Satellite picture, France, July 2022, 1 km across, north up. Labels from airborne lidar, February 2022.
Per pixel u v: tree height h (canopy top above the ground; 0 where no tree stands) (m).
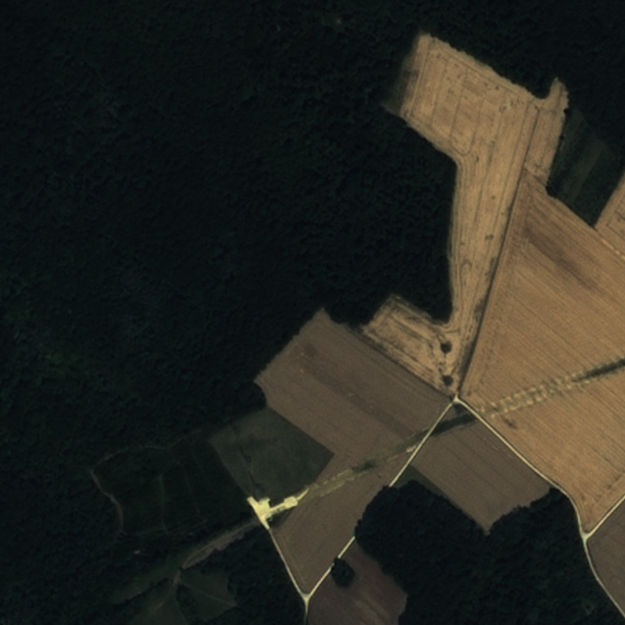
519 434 0
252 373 27
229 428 0
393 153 23
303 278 23
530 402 0
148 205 23
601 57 24
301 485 0
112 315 20
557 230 0
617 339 0
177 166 22
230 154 20
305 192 18
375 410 0
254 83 14
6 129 24
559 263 0
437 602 23
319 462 0
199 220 24
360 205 21
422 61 0
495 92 0
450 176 21
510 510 0
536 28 23
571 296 0
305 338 0
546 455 0
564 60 29
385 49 22
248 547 11
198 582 0
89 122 26
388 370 0
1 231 16
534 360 0
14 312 21
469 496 0
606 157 0
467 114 0
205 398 20
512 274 0
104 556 25
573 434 0
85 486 21
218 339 22
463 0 26
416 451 0
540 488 0
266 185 16
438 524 24
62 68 27
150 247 22
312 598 0
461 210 0
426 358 0
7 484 33
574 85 22
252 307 20
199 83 22
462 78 0
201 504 0
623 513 0
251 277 27
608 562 0
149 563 22
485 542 24
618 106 27
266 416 0
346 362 0
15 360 11
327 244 20
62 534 14
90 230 26
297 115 18
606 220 0
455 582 26
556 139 0
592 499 0
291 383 0
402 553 23
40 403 13
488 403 0
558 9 26
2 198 17
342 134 7
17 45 20
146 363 20
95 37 26
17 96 28
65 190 21
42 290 20
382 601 0
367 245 22
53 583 20
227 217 27
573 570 8
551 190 11
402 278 24
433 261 22
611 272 0
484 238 0
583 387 0
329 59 7
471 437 0
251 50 6
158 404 18
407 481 0
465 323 0
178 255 22
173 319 19
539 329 0
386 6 21
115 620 17
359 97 5
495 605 18
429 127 0
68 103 23
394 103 0
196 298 21
